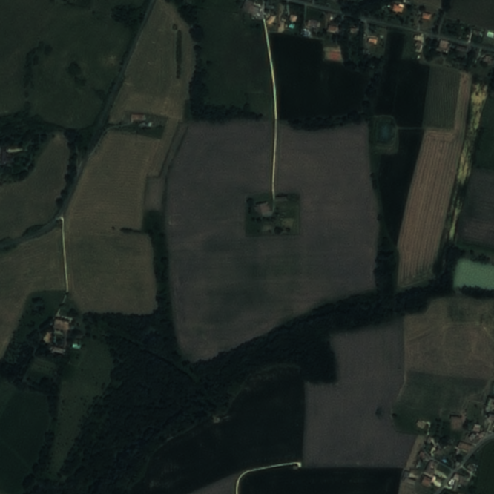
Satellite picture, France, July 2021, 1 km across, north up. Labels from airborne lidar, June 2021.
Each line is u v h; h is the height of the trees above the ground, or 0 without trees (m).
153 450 12
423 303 8
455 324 0
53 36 0
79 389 0
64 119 0
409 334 0
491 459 0
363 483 0
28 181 0
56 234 0
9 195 0
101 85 0
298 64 0
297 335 23
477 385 0
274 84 0
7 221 0
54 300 0
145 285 0
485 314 0
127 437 23
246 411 0
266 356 18
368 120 7
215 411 17
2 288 0
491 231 0
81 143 18
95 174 0
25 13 0
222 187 0
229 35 0
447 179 0
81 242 0
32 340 17
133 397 28
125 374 9
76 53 0
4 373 16
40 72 0
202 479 0
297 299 0
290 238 0
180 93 0
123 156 0
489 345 0
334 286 0
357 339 0
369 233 0
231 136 0
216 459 0
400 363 0
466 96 0
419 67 0
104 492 25
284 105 0
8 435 0
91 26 0
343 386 0
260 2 0
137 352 14
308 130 8
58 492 20
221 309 0
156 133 0
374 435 0
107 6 0
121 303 0
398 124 0
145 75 0
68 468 13
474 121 0
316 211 0
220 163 0
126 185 0
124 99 0
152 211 0
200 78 11
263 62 0
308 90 0
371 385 0
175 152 0
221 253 0
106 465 14
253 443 0
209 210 0
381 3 17
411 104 0
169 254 0
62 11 0
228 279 0
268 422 0
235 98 0
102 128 8
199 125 0
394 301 10
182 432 12
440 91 0
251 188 0
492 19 0
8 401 0
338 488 0
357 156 0
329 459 0
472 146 0
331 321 24
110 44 0
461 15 0
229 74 0
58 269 0
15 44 0
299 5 7
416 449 0
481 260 8
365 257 0
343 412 0
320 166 0
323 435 0
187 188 0
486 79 0
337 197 0
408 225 0
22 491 0
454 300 0
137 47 0
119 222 0
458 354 0
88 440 13
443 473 0
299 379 0
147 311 0
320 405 0
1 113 0
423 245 0
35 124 9
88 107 0
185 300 0
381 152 0
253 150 0
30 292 0
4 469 0
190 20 9
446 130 0
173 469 0
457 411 0
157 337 25
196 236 0
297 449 0
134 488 0
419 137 0
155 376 23
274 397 0
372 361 0
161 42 0
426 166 0
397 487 0
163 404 16
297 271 0
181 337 0
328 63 0
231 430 0
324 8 0
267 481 0
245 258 0
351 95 0
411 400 0
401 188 0
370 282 0
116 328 8
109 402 16
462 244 0
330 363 17
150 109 0
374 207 0
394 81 0
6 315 0
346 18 9
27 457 0
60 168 0
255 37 0
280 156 0
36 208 0
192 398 24
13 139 14
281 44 0
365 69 23
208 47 0
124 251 0
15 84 0
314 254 0
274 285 0
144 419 27
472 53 10
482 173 0
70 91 0
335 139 0
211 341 0
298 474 0
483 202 0
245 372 16
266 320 0
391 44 0
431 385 0
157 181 0
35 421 0
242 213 0
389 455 0
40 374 0
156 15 0
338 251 0
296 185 0
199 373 20
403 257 0
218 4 0
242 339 0
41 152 0
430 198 0
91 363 0
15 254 0
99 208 0
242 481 0
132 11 12
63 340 7
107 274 0
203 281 0
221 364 15
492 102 0
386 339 0
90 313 7
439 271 0
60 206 15
